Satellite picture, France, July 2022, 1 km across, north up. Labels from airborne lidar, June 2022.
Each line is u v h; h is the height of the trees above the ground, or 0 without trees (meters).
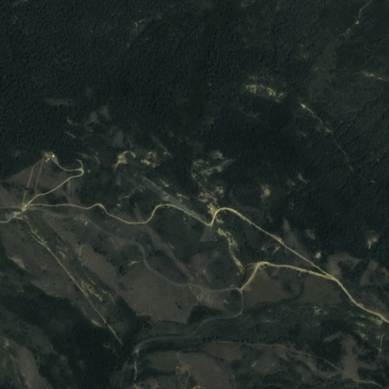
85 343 15
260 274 0
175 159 9
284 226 0
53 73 10
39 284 0
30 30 9
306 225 7
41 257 0
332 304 0
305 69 8
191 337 0
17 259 0
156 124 11
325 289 0
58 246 0
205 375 0
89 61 11
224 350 0
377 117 8
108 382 10
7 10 16
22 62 11
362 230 13
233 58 11
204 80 9
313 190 11
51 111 8
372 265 0
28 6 10
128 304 0
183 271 0
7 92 14
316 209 13
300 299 0
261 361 0
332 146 11
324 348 7
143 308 0
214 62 15
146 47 12
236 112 5
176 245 0
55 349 9
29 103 15
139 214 0
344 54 7
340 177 13
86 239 0
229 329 6
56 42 14
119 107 12
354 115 7
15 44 11
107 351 9
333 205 11
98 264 0
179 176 11
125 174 0
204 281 0
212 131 8
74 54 8
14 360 0
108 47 12
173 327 0
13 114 9
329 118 11
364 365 0
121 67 9
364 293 0
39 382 0
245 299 0
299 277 0
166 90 10
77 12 14
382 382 7
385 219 13
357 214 13
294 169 12
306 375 0
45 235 0
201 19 8
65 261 0
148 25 10
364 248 9
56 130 11
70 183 0
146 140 10
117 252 0
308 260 0
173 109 8
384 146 7
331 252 6
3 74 16
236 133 7
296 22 10
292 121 14
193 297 0
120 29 7
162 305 0
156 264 0
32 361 0
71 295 0
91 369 15
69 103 12
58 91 7
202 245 0
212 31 7
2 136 13
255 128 10
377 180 16
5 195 0
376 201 15
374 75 0
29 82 12
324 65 0
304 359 0
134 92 13
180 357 0
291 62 13
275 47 6
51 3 8
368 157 11
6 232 0
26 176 0
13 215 0
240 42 9
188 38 15
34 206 0
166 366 0
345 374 0
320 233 11
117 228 0
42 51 15
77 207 0
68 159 7
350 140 13
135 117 12
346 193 12
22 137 14
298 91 11
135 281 0
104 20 8
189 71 14
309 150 10
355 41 10
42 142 11
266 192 0
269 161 9
